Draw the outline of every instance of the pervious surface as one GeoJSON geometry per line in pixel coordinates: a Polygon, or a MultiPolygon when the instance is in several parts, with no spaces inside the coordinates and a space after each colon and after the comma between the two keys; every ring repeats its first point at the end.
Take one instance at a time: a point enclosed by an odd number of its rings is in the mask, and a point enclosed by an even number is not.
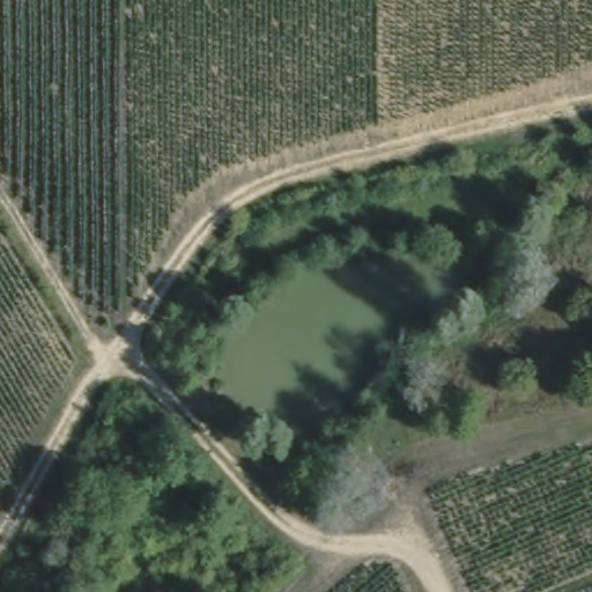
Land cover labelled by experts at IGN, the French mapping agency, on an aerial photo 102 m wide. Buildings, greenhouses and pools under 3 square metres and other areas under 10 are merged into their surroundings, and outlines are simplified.
{"type": "Polygon", "coordinates": [[[576,116],[580,104],[592,106],[592,93],[567,95],[553,102],[502,111],[469,123],[453,123],[435,130],[423,130],[419,134],[398,136],[391,141],[379,141],[363,148],[340,150],[317,160],[287,164],[284,169],[275,169],[268,176],[254,178],[227,192],[222,197],[227,206],[243,208],[282,185],[324,178],[340,169],[368,169],[377,162],[409,157],[430,143],[481,139],[506,130],[539,125],[553,118],[571,118],[576,116]]]}
{"type": "Polygon", "coordinates": [[[118,338],[113,338],[111,342],[102,342],[99,338],[88,342],[88,349],[93,354],[93,368],[74,386],[60,419],[46,437],[46,444],[19,446],[12,463],[12,481],[0,490],[0,553],[5,550],[16,530],[28,534],[35,532],[37,523],[28,518],[25,511],[39,493],[44,479],[49,476],[56,453],[69,439],[74,423],[79,421],[88,402],[88,389],[93,384],[111,377],[141,382],[146,386],[146,393],[157,402],[153,412],[162,414],[164,421],[176,416],[187,430],[197,432],[197,446],[204,449],[210,456],[210,460],[222,469],[222,474],[236,486],[236,490],[250,500],[252,509],[298,543],[315,550],[352,555],[356,560],[361,555],[384,555],[389,562],[391,562],[405,562],[419,576],[428,592],[451,592],[439,557],[432,553],[432,546],[421,527],[416,527],[414,532],[391,530],[377,534],[324,534],[312,525],[280,506],[264,504],[261,497],[257,497],[250,490],[243,469],[236,456],[229,451],[229,446],[215,439],[208,426],[190,412],[185,402],[187,393],[183,393],[183,389],[173,391],[164,382],[143,375],[146,358],[139,347],[139,324],[153,317],[157,310],[160,298],[169,291],[178,273],[185,271],[194,252],[213,234],[215,215],[210,210],[201,213],[199,220],[173,247],[173,252],[167,257],[164,271],[155,271],[148,275],[150,287],[141,291],[134,301],[130,301],[134,312],[130,312],[130,324],[116,326],[118,338]]]}

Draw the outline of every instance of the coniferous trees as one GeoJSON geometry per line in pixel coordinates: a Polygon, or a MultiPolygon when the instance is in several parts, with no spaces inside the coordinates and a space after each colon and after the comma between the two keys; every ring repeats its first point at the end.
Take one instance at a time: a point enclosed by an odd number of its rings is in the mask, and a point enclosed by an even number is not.
{"type": "Polygon", "coordinates": [[[148,511],[153,513],[155,530],[160,534],[173,534],[178,525],[194,523],[199,513],[208,513],[215,506],[220,488],[215,483],[194,479],[176,488],[164,488],[160,495],[150,500],[148,511]]]}
{"type": "Polygon", "coordinates": [[[51,520],[62,513],[62,509],[74,497],[81,474],[90,469],[116,467],[123,476],[130,474],[139,481],[160,476],[169,467],[167,446],[187,430],[176,416],[164,421],[162,414],[153,412],[157,402],[146,393],[146,386],[141,382],[111,377],[93,384],[88,389],[88,402],[79,421],[74,423],[69,439],[56,453],[49,476],[44,479],[39,493],[25,511],[28,518],[37,523],[35,532],[28,534],[16,530],[5,550],[0,553],[0,592],[278,592],[303,574],[303,557],[294,555],[294,548],[298,543],[252,509],[247,509],[252,520],[247,523],[247,546],[238,553],[227,555],[227,562],[217,569],[204,567],[201,550],[194,553],[194,560],[185,557],[190,541],[176,543],[148,557],[134,557],[130,548],[120,562],[113,557],[104,564],[88,564],[81,557],[86,541],[90,539],[86,530],[76,527],[67,537],[51,534],[51,520]]]}

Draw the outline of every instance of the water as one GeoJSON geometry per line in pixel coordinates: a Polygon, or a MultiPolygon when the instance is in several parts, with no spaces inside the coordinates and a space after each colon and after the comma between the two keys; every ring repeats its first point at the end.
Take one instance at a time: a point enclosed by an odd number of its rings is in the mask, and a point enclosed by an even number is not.
{"type": "Polygon", "coordinates": [[[363,247],[342,264],[333,264],[319,273],[310,273],[294,287],[278,291],[278,296],[261,308],[261,312],[250,321],[250,326],[243,333],[229,338],[220,361],[220,375],[224,379],[222,395],[231,398],[241,407],[266,412],[271,421],[282,421],[294,437],[296,432],[308,430],[315,421],[324,419],[331,407],[340,405],[347,398],[347,393],[358,398],[368,389],[372,377],[382,372],[384,363],[391,358],[389,352],[377,352],[377,342],[395,340],[400,338],[400,331],[409,331],[414,338],[423,333],[412,310],[428,296],[437,296],[442,294],[442,278],[446,273],[444,266],[435,266],[428,257],[391,257],[375,254],[372,250],[363,247]]]}

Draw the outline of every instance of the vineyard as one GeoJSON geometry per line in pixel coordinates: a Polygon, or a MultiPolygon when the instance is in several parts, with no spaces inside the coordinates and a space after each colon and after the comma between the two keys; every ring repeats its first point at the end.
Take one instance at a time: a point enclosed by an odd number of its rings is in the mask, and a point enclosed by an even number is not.
{"type": "Polygon", "coordinates": [[[439,530],[446,539],[449,553],[458,560],[460,574],[469,592],[592,592],[592,444],[567,444],[550,453],[532,453],[523,463],[500,467],[497,472],[486,469],[476,476],[458,472],[449,479],[437,479],[426,486],[426,495],[430,500],[432,511],[437,511],[439,530]]]}
{"type": "Polygon", "coordinates": [[[391,562],[389,562],[354,564],[326,592],[402,592],[391,562]]]}
{"type": "Polygon", "coordinates": [[[148,275],[155,271],[150,268],[150,254],[155,252],[162,231],[169,224],[171,213],[176,210],[173,197],[180,192],[192,192],[194,187],[199,187],[204,178],[208,178],[215,169],[224,164],[238,164],[243,157],[264,157],[282,148],[335,136],[352,130],[363,130],[365,125],[375,123],[402,120],[409,118],[412,109],[430,113],[474,97],[511,90],[513,86],[532,86],[541,79],[557,76],[567,67],[580,67],[587,60],[592,62],[592,0],[0,0],[0,490],[12,481],[12,463],[19,446],[46,444],[46,437],[60,419],[74,386],[93,368],[93,354],[88,349],[88,342],[99,338],[102,342],[111,342],[113,338],[118,338],[116,326],[130,324],[130,312],[134,312],[130,301],[134,301],[141,291],[150,287],[148,275]]]}

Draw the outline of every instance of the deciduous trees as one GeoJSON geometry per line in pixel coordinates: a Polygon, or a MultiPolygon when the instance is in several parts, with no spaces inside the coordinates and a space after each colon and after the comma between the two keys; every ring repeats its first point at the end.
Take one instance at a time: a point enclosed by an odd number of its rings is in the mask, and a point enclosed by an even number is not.
{"type": "Polygon", "coordinates": [[[497,176],[509,169],[523,169],[537,178],[539,197],[530,201],[532,213],[523,220],[523,227],[516,231],[516,238],[502,243],[495,257],[502,275],[495,278],[493,284],[486,287],[481,294],[469,289],[463,296],[463,301],[458,296],[449,301],[442,301],[437,296],[428,296],[412,310],[423,333],[414,338],[409,331],[400,331],[400,338],[395,340],[377,342],[377,352],[389,352],[391,358],[384,363],[382,372],[372,377],[368,389],[358,398],[347,393],[347,398],[340,405],[331,407],[324,419],[315,421],[308,430],[296,432],[294,437],[282,421],[271,421],[266,412],[241,407],[231,398],[222,395],[224,379],[220,375],[220,361],[229,338],[243,333],[250,326],[250,321],[261,312],[261,308],[278,296],[278,291],[294,287],[310,273],[319,273],[333,264],[342,264],[363,247],[372,250],[375,254],[391,257],[428,257],[435,266],[444,266],[451,266],[458,259],[460,243],[442,227],[426,229],[421,236],[398,234],[391,250],[386,245],[377,245],[365,229],[356,229],[347,243],[338,245],[333,238],[324,238],[317,250],[310,250],[303,257],[289,254],[275,275],[259,275],[252,282],[250,294],[231,296],[227,305],[222,301],[215,301],[213,308],[206,310],[201,321],[194,317],[192,310],[183,310],[176,303],[169,305],[169,310],[164,312],[157,310],[153,317],[139,324],[139,347],[146,358],[143,375],[164,382],[173,391],[183,389],[183,393],[187,393],[185,402],[190,412],[208,426],[215,439],[229,446],[229,451],[236,456],[243,469],[250,490],[257,497],[261,497],[264,504],[280,506],[312,525],[319,513],[319,504],[326,500],[328,479],[333,479],[338,472],[342,449],[354,439],[361,449],[370,446],[375,430],[384,426],[386,416],[400,421],[402,426],[419,428],[426,435],[432,435],[435,439],[446,439],[451,435],[458,442],[472,442],[481,432],[486,398],[481,384],[467,372],[465,345],[479,335],[481,321],[486,319],[483,303],[513,303],[530,287],[530,280],[513,278],[518,254],[527,247],[543,245],[550,238],[553,220],[564,208],[569,194],[592,197],[592,106],[580,104],[576,116],[571,118],[553,118],[539,125],[506,130],[481,139],[430,143],[409,157],[377,162],[368,169],[340,169],[324,178],[282,185],[243,208],[227,206],[220,208],[215,215],[213,234],[194,252],[185,271],[199,284],[206,284],[206,275],[210,268],[231,271],[241,264],[241,257],[236,252],[238,245],[245,243],[264,247],[268,243],[280,243],[294,238],[296,231],[315,217],[338,217],[342,213],[354,213],[363,206],[400,208],[405,213],[412,213],[414,217],[428,217],[432,206],[458,210],[460,204],[451,194],[451,183],[458,176],[497,176]]]}
{"type": "Polygon", "coordinates": [[[210,456],[204,449],[197,446],[197,432],[187,430],[167,446],[169,467],[160,476],[139,481],[130,474],[123,476],[116,467],[90,469],[81,474],[74,497],[62,509],[62,513],[51,520],[51,534],[67,537],[76,527],[86,530],[90,539],[86,541],[81,557],[88,564],[104,564],[113,557],[120,562],[130,548],[134,557],[148,557],[176,543],[190,541],[185,557],[194,560],[194,553],[201,550],[204,567],[217,569],[227,562],[227,555],[238,553],[247,546],[247,523],[252,520],[247,509],[252,509],[250,500],[236,490],[236,486],[222,474],[222,469],[210,460],[210,456]],[[220,488],[215,506],[208,513],[199,513],[194,523],[178,525],[173,534],[160,534],[155,530],[153,513],[148,511],[150,500],[160,495],[164,488],[176,488],[194,479],[215,483],[220,488]]]}
{"type": "Polygon", "coordinates": [[[576,368],[571,386],[564,391],[564,398],[574,400],[583,409],[592,409],[592,354],[583,356],[583,363],[576,368]]]}

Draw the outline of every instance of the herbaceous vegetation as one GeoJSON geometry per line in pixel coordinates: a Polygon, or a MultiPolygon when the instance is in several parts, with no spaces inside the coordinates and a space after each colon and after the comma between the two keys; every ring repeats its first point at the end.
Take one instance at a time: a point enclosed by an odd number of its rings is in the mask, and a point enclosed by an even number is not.
{"type": "Polygon", "coordinates": [[[356,560],[352,555],[315,550],[298,543],[294,548],[294,555],[303,557],[303,574],[278,592],[326,592],[354,564],[389,562],[384,555],[361,555],[356,560]]]}
{"type": "Polygon", "coordinates": [[[458,176],[451,183],[451,194],[460,204],[458,210],[432,206],[428,217],[414,217],[412,213],[405,213],[400,208],[363,206],[354,213],[342,213],[338,217],[315,217],[296,231],[294,238],[280,243],[268,243],[264,247],[245,243],[238,245],[236,252],[241,257],[241,264],[231,271],[210,268],[206,275],[206,284],[199,284],[185,271],[178,273],[169,291],[160,298],[157,310],[164,312],[169,310],[169,305],[176,303],[183,310],[192,310],[194,317],[201,321],[206,310],[213,308],[215,301],[222,301],[227,305],[231,296],[250,294],[252,282],[259,275],[275,275],[289,254],[303,257],[310,250],[317,250],[324,238],[333,238],[338,245],[347,243],[356,229],[365,229],[377,245],[386,245],[391,250],[398,234],[421,236],[426,229],[442,227],[460,243],[458,259],[451,266],[444,266],[446,273],[442,278],[442,294],[437,296],[442,301],[449,301],[458,296],[463,301],[463,296],[469,289],[481,294],[486,287],[493,284],[495,278],[502,275],[495,257],[502,243],[516,238],[516,231],[523,227],[523,220],[532,213],[530,201],[539,197],[537,178],[523,169],[509,169],[497,176],[458,176]]]}
{"type": "Polygon", "coordinates": [[[405,562],[391,562],[402,592],[428,592],[419,576],[405,562]]]}
{"type": "Polygon", "coordinates": [[[224,164],[215,169],[208,178],[204,178],[199,187],[194,187],[192,192],[180,192],[173,197],[176,210],[171,213],[169,224],[162,231],[155,252],[150,254],[150,268],[155,271],[164,271],[167,257],[173,252],[173,247],[199,220],[201,213],[210,210],[215,215],[220,208],[227,206],[222,197],[227,192],[254,178],[268,176],[275,169],[284,169],[287,164],[317,160],[340,150],[363,148],[379,141],[391,141],[398,136],[419,134],[423,130],[435,130],[453,123],[469,123],[502,111],[553,102],[567,95],[592,93],[592,62],[587,60],[580,67],[567,67],[557,76],[541,79],[532,86],[513,86],[511,90],[474,97],[430,113],[412,109],[409,118],[402,120],[375,123],[365,125],[363,130],[352,130],[335,136],[282,148],[264,157],[243,157],[238,164],[224,164]]]}
{"type": "Polygon", "coordinates": [[[338,472],[333,479],[328,479],[326,500],[319,504],[319,513],[312,525],[324,534],[377,534],[391,530],[414,532],[416,527],[421,527],[432,546],[432,553],[439,557],[451,592],[469,592],[460,574],[458,560],[449,553],[446,539],[439,530],[437,511],[432,511],[430,500],[426,495],[426,486],[437,479],[449,479],[458,472],[476,476],[486,469],[497,472],[500,467],[523,463],[532,453],[550,453],[567,444],[592,444],[592,409],[583,409],[574,400],[564,398],[564,391],[571,386],[576,368],[583,363],[583,356],[592,354],[592,197],[569,194],[564,208],[553,220],[550,238],[543,245],[527,247],[518,254],[513,278],[530,280],[530,287],[513,303],[483,303],[486,319],[481,321],[479,335],[465,345],[467,372],[481,384],[486,398],[481,432],[472,442],[458,442],[451,435],[446,439],[435,439],[432,435],[426,435],[419,428],[402,426],[400,421],[386,416],[384,426],[375,430],[370,446],[361,449],[354,439],[342,449],[338,472]]]}

